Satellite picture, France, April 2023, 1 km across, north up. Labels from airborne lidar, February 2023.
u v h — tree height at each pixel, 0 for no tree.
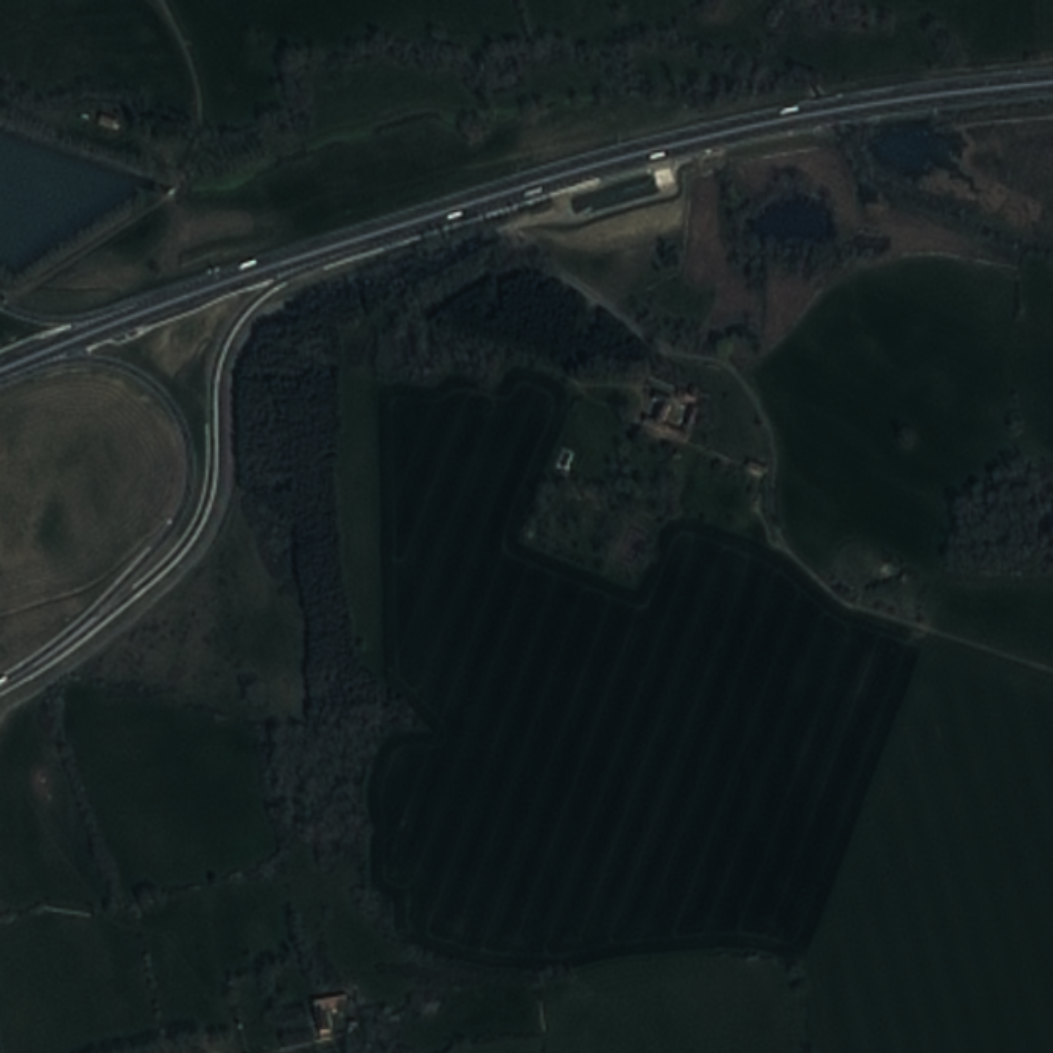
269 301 0
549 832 0
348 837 15
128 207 24
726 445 0
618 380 19
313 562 15
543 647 0
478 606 0
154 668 0
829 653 0
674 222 0
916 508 0
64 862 0
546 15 0
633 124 0
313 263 0
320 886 0
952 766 0
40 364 0
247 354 10
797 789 0
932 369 0
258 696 21
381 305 14
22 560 0
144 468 0
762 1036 0
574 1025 0
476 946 0
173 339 0
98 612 0
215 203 0
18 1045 0
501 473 0
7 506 0
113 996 0
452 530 0
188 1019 0
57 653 0
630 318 14
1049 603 0
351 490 0
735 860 0
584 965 0
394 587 0
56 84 0
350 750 16
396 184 0
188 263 0
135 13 0
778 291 0
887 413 0
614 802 0
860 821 0
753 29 0
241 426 15
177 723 0
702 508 0
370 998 0
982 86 0
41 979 0
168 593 0
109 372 0
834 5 17
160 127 14
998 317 0
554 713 0
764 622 0
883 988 0
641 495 19
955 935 0
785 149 0
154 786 0
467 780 0
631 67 9
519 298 15
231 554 0
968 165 0
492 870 0
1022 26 0
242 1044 0
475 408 0
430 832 0
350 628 11
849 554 0
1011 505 21
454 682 0
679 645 0
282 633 0
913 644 0
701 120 0
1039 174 0
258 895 0
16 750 0
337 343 12
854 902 0
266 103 0
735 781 0
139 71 0
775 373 0
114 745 0
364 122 0
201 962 0
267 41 0
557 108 0
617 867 0
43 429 0
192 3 0
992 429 0
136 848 0
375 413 0
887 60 0
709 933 0
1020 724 0
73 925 0
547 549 8
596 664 0
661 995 0
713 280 0
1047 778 0
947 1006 0
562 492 16
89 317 0
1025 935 0
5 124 26
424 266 12
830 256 18
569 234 0
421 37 0
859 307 0
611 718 0
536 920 0
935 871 0
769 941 0
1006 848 0
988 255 0
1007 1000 0
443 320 12
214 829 0
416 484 0
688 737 0
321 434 11
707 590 0
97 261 0
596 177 0
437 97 0
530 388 0
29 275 22
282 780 20
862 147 9
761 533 0
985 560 19
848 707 0
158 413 0
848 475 0
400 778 0
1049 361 0
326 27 0
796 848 0
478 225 16
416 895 0
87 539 0
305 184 0
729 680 0
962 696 0
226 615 0
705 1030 0
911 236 0
